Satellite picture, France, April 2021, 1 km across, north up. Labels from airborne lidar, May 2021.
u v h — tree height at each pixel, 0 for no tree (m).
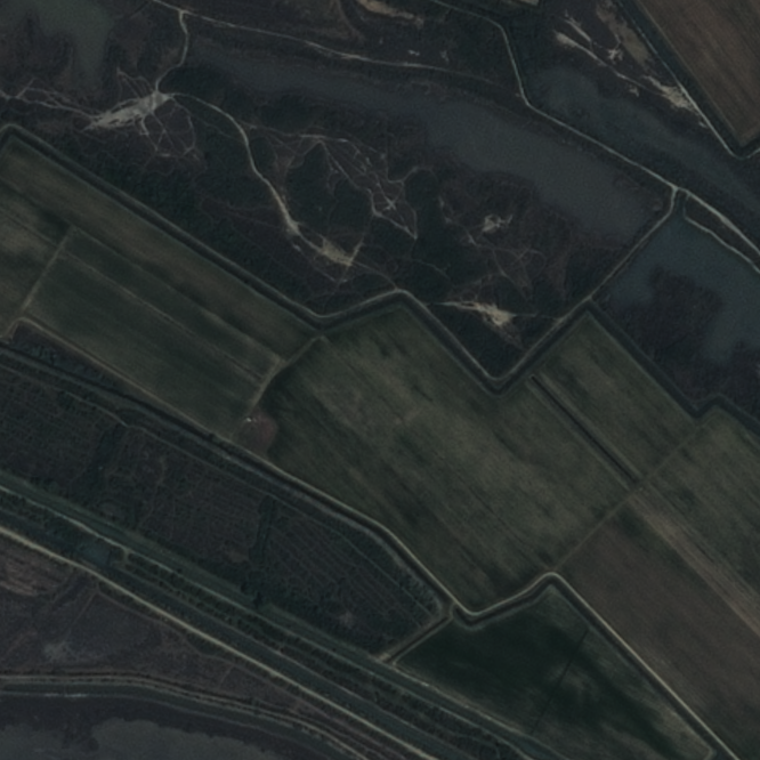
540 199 0
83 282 0
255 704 7
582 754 0
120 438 7
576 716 0
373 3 0
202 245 0
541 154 0
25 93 0
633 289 0
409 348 0
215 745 0
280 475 0
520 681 0
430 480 0
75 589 0
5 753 0
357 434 0
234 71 0
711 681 0
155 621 0
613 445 0
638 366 0
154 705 0
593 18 0
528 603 0
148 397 0
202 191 6
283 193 0
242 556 0
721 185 0
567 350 0
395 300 0
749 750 0
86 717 0
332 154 0
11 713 0
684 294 0
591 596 0
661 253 0
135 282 0
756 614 0
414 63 0
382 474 0
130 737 0
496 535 0
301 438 0
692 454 0
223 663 0
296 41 0
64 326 0
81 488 7
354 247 0
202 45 0
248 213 0
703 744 0
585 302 0
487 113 0
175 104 0
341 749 0
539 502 0
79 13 0
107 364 0
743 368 0
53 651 0
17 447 0
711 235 0
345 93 0
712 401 0
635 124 0
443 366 0
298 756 0
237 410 0
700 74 0
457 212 0
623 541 0
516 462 0
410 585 6
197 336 0
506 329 0
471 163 0
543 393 0
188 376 0
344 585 7
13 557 0
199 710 0
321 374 0
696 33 0
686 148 0
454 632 0
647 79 0
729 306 0
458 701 0
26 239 0
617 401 0
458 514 0
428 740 0
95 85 0
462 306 0
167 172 0
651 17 0
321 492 0
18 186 0
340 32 0
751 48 0
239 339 0
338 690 0
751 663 0
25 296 0
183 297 0
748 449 0
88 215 0
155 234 0
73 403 7
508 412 0
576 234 0
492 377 0
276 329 0
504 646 0
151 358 0
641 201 0
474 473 0
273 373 0
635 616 0
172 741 0
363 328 0
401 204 0
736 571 0
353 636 6
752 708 0
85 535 6
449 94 0
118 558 6
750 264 0
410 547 0
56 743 0
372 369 0
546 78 0
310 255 0
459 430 0
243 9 0
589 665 0
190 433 0
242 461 0
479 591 0
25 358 0
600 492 0
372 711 0
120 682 0
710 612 0
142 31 0
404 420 0
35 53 0
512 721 0
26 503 11
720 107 0
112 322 0
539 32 5
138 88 0
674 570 0
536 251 0
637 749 0
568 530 0
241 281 0
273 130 0
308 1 0
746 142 0
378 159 0
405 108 0
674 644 0
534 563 0
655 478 0
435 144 0
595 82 0
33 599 0
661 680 0
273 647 6
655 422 0
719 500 0
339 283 0
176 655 0
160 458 0
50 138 6
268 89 0
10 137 0
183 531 0
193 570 0
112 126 0
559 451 0
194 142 0
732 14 0
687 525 0
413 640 0
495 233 0
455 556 0
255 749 0
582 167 0
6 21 0
